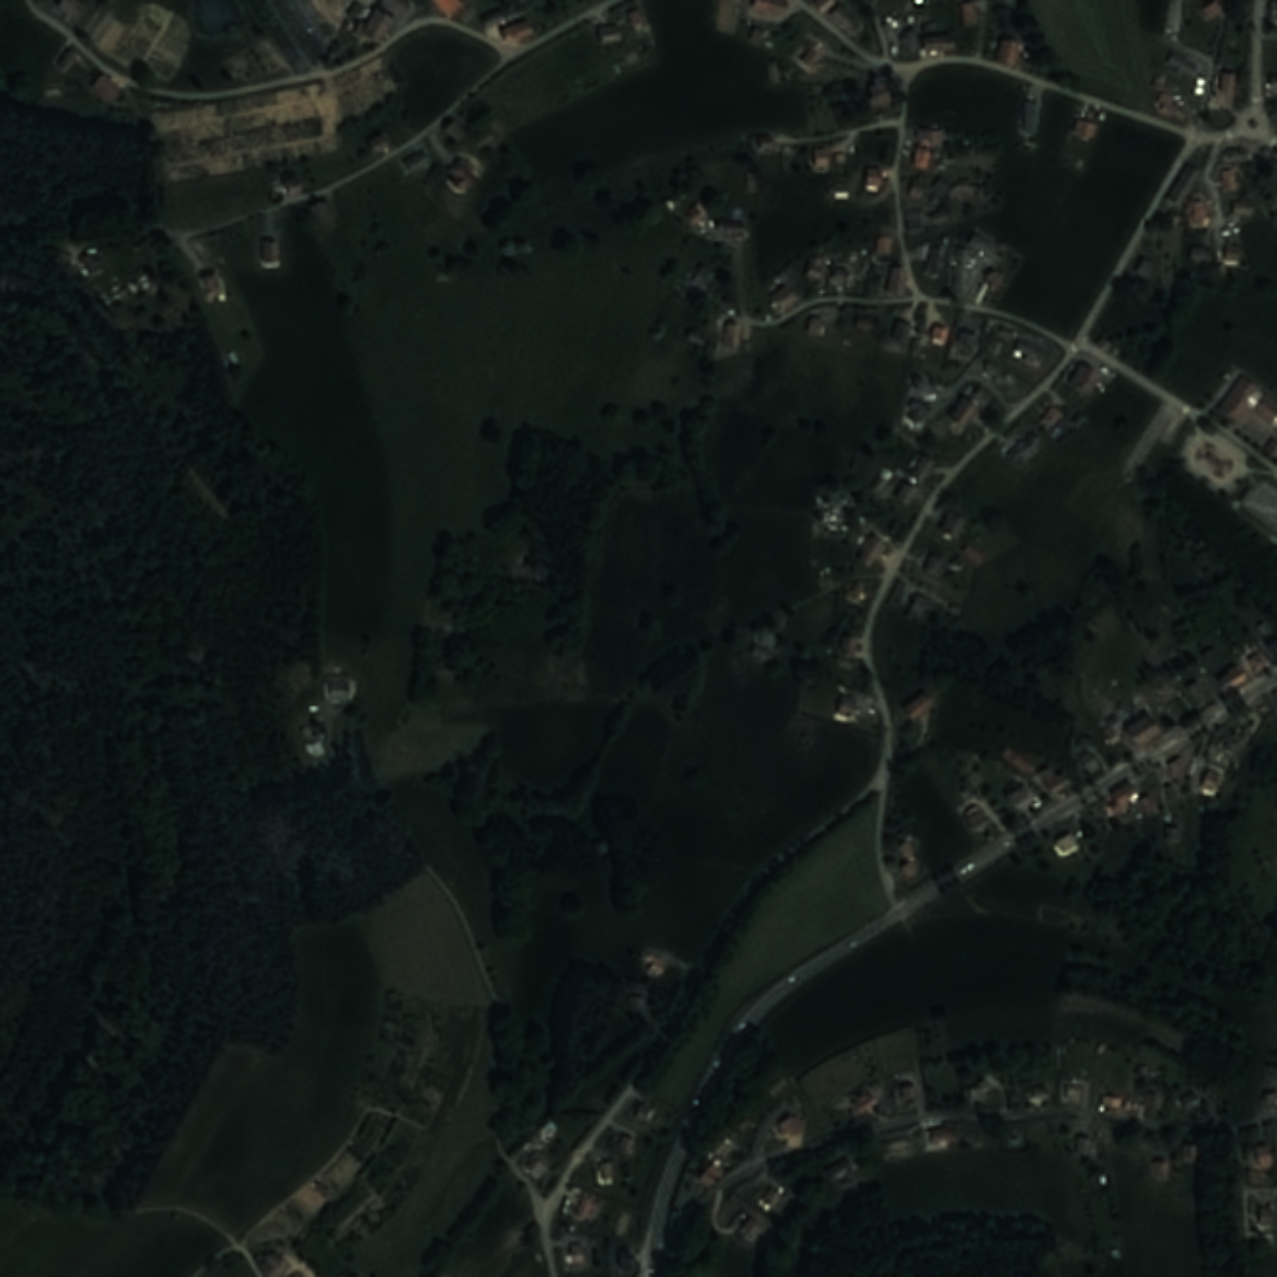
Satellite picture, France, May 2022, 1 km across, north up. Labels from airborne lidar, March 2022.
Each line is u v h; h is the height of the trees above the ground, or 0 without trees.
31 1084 13
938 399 0
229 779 33
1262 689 0
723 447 0
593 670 0
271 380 0
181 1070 25
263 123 0
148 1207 0
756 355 0
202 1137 0
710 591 0
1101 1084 0
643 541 0
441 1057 0
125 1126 7
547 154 0
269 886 31
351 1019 0
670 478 13
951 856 0
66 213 11
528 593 11
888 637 0
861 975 0
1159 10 0
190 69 0
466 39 0
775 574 0
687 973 0
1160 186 0
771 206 0
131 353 12
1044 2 0
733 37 0
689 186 8
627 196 0
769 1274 21
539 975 0
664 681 26
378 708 0
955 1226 13
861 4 11
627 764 0
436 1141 0
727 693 0
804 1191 16
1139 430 0
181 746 27
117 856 10
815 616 0
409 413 0
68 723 13
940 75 0
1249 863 0
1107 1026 0
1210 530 6
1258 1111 0
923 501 0
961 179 0
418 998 0
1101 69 0
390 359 0
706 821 0
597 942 0
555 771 0
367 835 33
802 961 0
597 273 0
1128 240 0
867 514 9
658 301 0
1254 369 0
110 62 0
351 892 26
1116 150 0
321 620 8
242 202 0
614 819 34
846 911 0
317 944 0
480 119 13
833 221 0
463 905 0
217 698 30
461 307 0
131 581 15
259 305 0
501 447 14
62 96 0
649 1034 17
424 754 0
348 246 0
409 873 26
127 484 29
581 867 37
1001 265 0
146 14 0
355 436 0
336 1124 0
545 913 0
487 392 0
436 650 11
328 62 7
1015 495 0
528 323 0
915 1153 0
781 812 0
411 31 0
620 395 0
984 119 0
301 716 0
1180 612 0
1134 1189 0
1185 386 0
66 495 10
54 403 29
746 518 0
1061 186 0
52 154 33
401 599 0
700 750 0
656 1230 0
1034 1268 20
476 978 0
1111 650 0
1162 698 0
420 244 0
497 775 15
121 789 17
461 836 0
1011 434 0
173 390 0
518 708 0
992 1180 0
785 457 0
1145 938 12
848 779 0
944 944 0
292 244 0
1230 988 17
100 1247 0
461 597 6
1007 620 0
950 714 0
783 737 0
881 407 0
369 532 0
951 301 18
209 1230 0
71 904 12
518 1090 20
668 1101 0
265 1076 0
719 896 0
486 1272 0
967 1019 0
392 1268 0
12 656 12
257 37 7
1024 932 0
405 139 0
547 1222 0
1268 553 7
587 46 0
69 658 21
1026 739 0
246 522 9
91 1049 24
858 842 0
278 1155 0
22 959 31
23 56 0
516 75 0
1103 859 0
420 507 0
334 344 0
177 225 0
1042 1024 0
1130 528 0
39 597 13
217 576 10
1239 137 0
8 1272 0
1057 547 0
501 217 24
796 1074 0
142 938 30
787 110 0
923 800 0
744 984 0
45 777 28
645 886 23
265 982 24
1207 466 0
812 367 0
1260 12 0
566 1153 11
